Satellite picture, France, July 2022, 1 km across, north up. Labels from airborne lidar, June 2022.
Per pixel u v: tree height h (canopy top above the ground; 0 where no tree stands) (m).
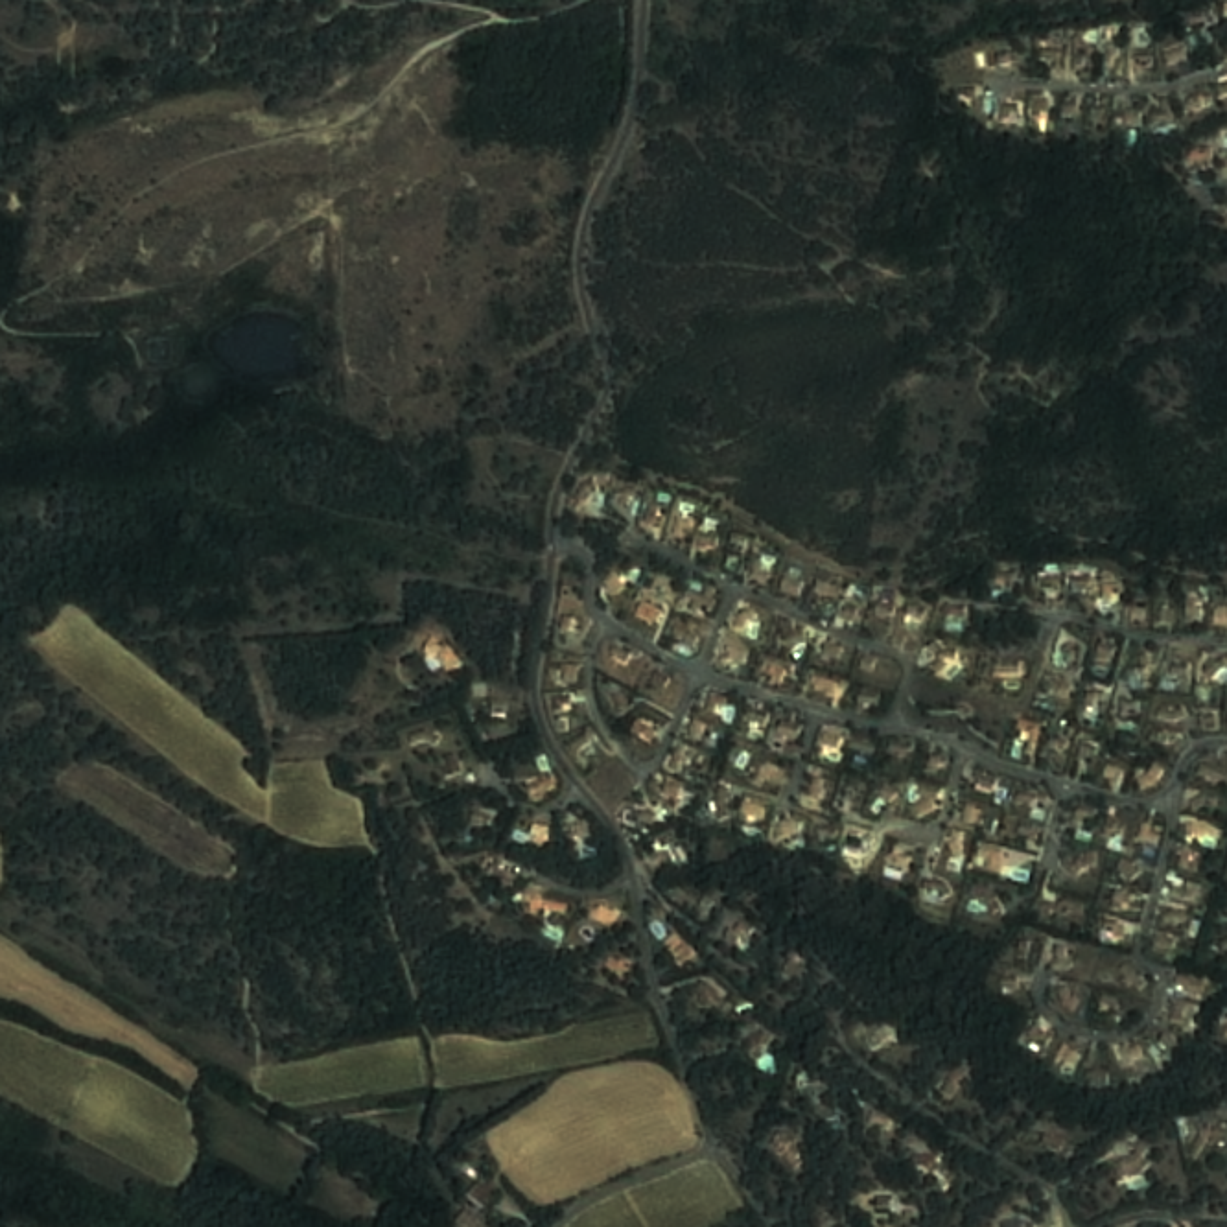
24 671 6
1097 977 0
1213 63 7
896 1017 13
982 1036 11
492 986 10
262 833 9
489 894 9
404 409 0
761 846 10
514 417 7
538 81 7
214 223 0
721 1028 13
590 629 0
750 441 6
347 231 0
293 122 0
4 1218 17
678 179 6
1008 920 8
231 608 8
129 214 0
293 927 8
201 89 10
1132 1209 8
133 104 9
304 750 0
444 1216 14
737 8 8
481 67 8
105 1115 0
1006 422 7
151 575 8
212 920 8
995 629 12
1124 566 9
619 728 7
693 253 7
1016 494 7
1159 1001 0
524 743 13
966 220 15
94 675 0
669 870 13
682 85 8
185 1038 0
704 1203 0
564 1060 0
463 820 9
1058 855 6
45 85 12
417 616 10
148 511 8
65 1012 0
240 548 13
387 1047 0
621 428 6
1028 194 8
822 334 5
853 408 6
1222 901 10
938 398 0
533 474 10
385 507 8
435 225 0
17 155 8
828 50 6
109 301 0
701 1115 6
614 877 11
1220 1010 11
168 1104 0
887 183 9
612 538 12
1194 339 8
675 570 11
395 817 11
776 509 7
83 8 9
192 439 7
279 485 7
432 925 12
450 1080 0
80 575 14
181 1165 0
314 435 6
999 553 10
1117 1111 16
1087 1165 12
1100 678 7
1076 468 9
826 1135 9
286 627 9
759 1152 7
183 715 0
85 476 6
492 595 6
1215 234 9
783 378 7
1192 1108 9
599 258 9
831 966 14
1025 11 8
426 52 0
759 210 7
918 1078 13
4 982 0
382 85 0
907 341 9
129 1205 8
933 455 9
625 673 0
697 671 0
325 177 0
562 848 15
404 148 0
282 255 0
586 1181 0
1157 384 5
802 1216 11
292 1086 0
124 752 9
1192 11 11
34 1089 0
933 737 0
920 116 8
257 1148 0
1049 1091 15
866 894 9
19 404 9
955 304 6
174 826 0
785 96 8
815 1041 14
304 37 11
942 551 12
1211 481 6
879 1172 9
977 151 11
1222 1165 12
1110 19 8
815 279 8
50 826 11
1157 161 6
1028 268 9
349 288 0
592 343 8
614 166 0
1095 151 11
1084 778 7
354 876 8
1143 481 6
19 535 10
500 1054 0
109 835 11
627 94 11
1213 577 10
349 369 0
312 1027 10
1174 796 0
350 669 9
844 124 8
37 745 15
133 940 6
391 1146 13
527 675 12
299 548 8
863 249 6
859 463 6
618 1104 0
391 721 6
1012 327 8
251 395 6
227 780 0
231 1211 12
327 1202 0
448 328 0
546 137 6
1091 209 11
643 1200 0
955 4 9
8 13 0
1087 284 11
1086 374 7
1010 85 0
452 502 8
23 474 10
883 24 8
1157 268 14
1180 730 0
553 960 10
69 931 11
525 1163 0
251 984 7
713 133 7
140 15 8
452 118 0
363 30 8
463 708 10
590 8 7
